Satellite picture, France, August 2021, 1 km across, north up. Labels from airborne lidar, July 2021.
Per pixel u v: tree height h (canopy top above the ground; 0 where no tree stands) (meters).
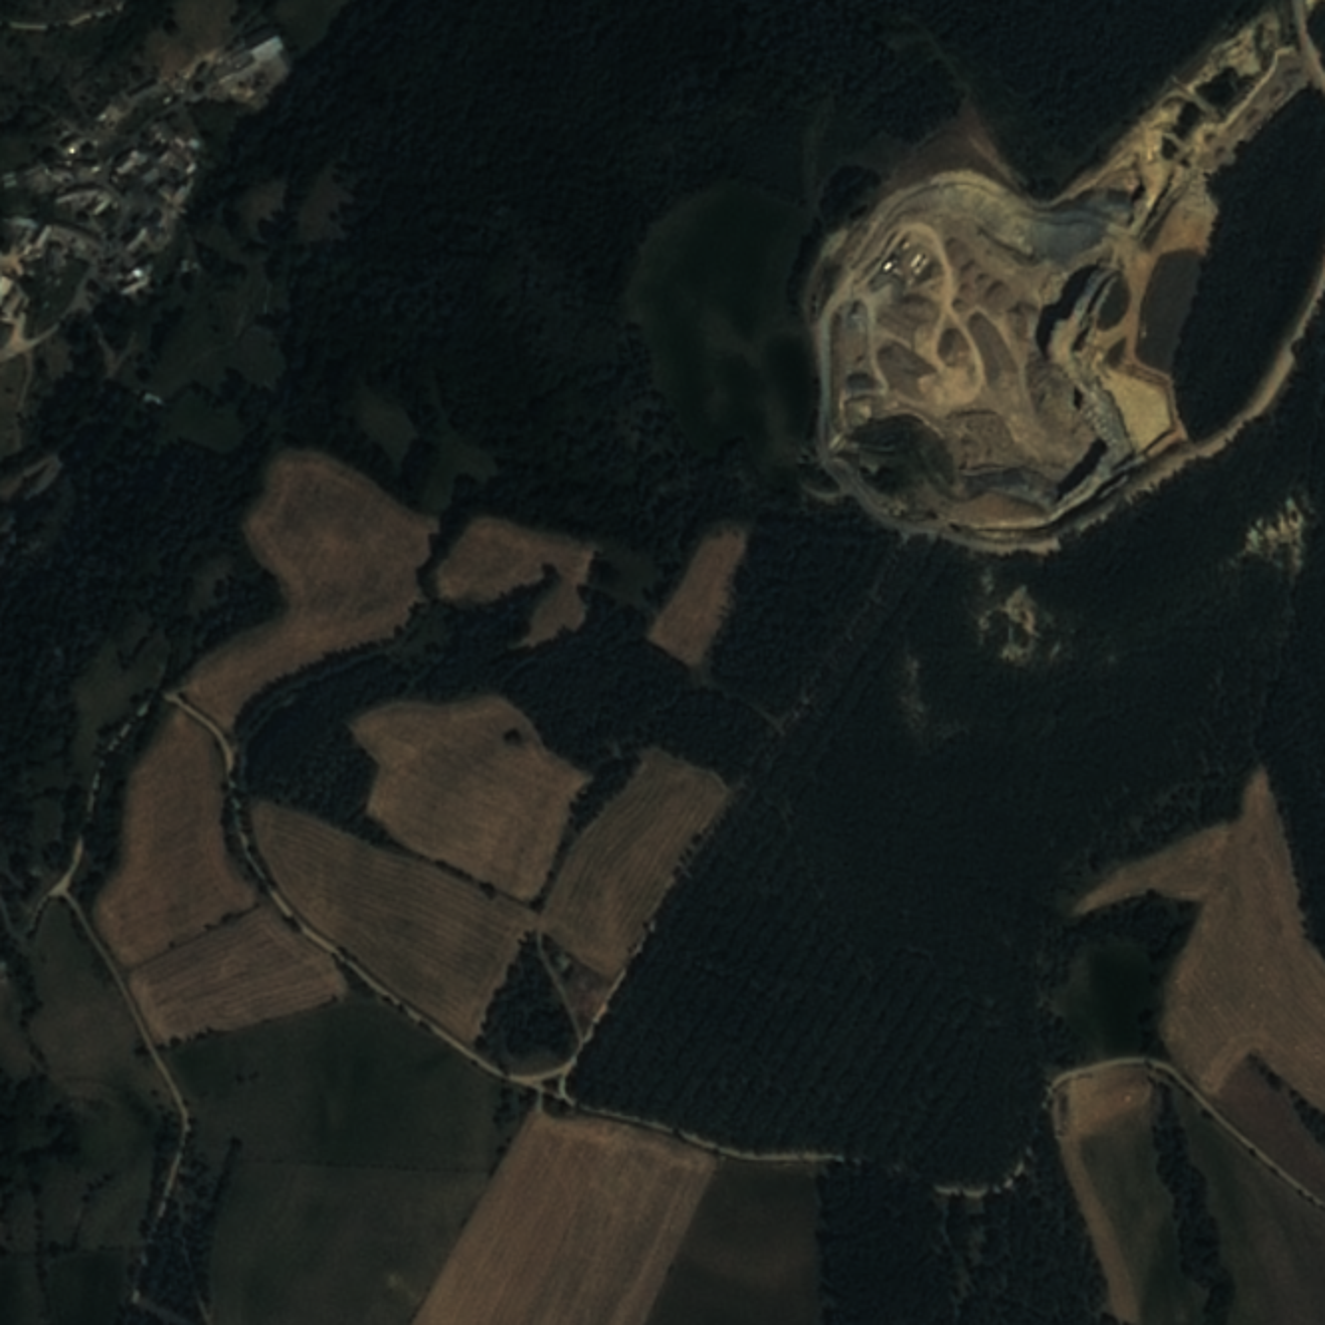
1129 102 11
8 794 7
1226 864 0
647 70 16
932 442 0
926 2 16
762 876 13
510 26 18
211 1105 0
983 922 12
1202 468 12
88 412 12
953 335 0
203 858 0
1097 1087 0
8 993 0
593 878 0
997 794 11
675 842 0
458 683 10
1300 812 14
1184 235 0
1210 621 7
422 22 22
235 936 0
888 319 0
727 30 14
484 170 16
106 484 14
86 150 8
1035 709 7
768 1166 0
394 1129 0
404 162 14
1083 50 10
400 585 0
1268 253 10
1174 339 0
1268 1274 0
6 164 0
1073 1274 14
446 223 9
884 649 13
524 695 12
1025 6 12
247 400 12
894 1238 19
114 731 8
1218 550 7
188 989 0
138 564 10
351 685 14
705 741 12
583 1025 0
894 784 9
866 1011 10
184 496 15
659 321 0
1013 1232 11
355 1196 0
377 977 0
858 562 14
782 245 0
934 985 12
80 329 13
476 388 13
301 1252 0
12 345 0
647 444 7
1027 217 0
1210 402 9
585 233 9
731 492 9
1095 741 10
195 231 10
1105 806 13
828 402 0
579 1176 0
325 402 9
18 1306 0
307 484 0
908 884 11
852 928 11
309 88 21
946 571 9
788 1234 0
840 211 7
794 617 17
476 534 0
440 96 23
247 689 0
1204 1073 0
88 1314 0
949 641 8
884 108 10
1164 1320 0
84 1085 0
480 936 0
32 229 0
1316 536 8
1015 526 0
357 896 0
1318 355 13
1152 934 15
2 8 8
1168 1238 0
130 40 13
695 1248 0
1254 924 0
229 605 10
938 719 5
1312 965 0
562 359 6
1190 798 10
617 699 14
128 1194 0
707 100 14
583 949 0
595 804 8
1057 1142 15
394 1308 0
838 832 10
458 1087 0
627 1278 0
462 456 0
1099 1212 0
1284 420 9
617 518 10
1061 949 8
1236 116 0
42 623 11
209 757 0
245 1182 0
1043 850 12
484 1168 0
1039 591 10
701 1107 13
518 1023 9
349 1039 0
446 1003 0
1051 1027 8
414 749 0
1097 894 0
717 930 14
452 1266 0
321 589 0
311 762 7
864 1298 17
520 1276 0
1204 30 10
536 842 0
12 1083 7
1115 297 0
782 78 6
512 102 17
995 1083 13
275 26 10
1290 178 13
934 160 0
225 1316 0
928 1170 15
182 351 0
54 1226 0
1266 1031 0
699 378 0
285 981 0
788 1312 0
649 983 13
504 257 7
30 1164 15
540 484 7
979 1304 14
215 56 0
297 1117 0
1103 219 0
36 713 7
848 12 9
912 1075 10
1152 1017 11
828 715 11
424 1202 0
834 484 8
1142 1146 0
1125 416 0
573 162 8
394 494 12
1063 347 0
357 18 18
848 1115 13
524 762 0
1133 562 14
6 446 0
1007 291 0
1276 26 0
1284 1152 0
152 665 0
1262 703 8
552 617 0
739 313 0
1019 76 13
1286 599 7
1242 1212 0
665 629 0
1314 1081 0
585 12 16
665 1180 0
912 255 0
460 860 0
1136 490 0
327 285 15
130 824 0
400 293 11
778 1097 13
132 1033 0
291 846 0
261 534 0
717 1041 14
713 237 0
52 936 0
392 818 0
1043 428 0
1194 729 13
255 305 0
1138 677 9
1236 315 12
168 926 0
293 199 11
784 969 14
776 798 10
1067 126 10
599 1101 12
